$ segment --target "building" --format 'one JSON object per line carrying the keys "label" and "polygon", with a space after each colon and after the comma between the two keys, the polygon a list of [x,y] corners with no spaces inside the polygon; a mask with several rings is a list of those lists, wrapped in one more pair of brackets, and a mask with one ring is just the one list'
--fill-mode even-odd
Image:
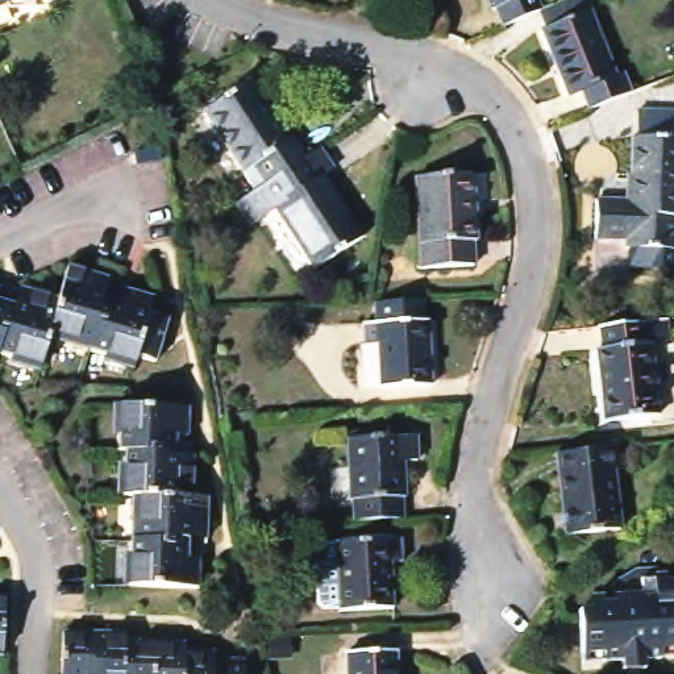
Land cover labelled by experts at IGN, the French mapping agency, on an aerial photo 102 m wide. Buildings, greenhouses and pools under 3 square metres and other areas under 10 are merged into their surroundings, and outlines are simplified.
{"label": "building", "polygon": [[492,0],[500,11],[500,24],[506,32],[513,26],[513,18],[529,11],[540,11],[545,0]]}
{"label": "building", "polygon": [[205,163],[213,166],[221,161],[226,171],[240,171],[247,179],[250,192],[245,195],[245,208],[253,213],[255,221],[271,229],[276,247],[298,269],[313,263],[337,258],[340,253],[350,250],[345,240],[369,232],[374,226],[374,208],[369,208],[361,200],[353,182],[345,174],[345,169],[340,147],[329,147],[324,140],[313,142],[308,132],[305,126],[282,126],[282,121],[274,116],[271,100],[261,92],[261,74],[250,68],[245,76],[240,76],[234,90],[226,90],[219,97],[213,97],[195,118],[203,132],[197,132],[190,140],[192,150],[200,147]]}
{"label": "building", "polygon": [[600,371],[608,416],[621,416],[629,411],[663,411],[671,403],[674,387],[674,316],[650,319],[640,313],[637,319],[627,319],[624,326],[606,326],[600,342]]}
{"label": "building", "polygon": [[606,534],[606,524],[624,527],[635,513],[637,503],[632,477],[624,461],[613,461],[613,453],[590,453],[587,445],[582,445],[558,453],[561,503],[566,511],[566,527],[561,529],[574,537],[600,534]]}
{"label": "building", "polygon": [[345,566],[334,569],[321,582],[316,590],[316,606],[337,616],[392,616],[392,603],[403,600],[403,595],[398,579],[403,563],[398,553],[374,548],[371,534],[345,537]]}
{"label": "building", "polygon": [[348,661],[348,674],[419,674],[413,661],[403,658],[398,645],[355,645]]}
{"label": "building", "polygon": [[584,611],[577,611],[577,624],[579,645],[571,653],[566,653],[566,669],[577,674],[592,674],[606,663],[621,663],[621,669],[642,671],[656,661],[674,661],[674,561],[661,561],[650,550],[624,553],[619,558],[608,571],[603,571],[606,584],[592,590]]}
{"label": "building", "polygon": [[124,495],[124,503],[118,506],[124,542],[116,550],[116,577],[121,579],[121,584],[174,590],[190,595],[200,592],[197,582],[205,574],[211,574],[216,550],[216,529],[221,524],[221,513],[224,484],[213,474],[216,445],[211,442],[203,437],[200,429],[200,405],[195,408],[184,403],[166,403],[150,398],[124,400],[113,403],[100,421],[100,434],[113,437],[116,448],[121,458],[116,463],[113,482],[116,492]]}
{"label": "building", "polygon": [[116,274],[97,263],[84,266],[82,279],[68,282],[66,298],[58,298],[61,274],[55,274],[50,266],[37,266],[32,274],[13,269],[8,274],[0,266],[0,358],[5,358],[8,376],[18,384],[29,382],[29,376],[37,369],[42,369],[42,361],[53,363],[55,355],[58,363],[66,363],[74,355],[92,355],[90,371],[90,376],[118,376],[124,369],[134,363],[134,358],[155,363],[155,355],[169,353],[169,348],[176,340],[182,316],[184,303],[176,290],[169,279],[158,290],[153,290],[140,274],[132,271]]}
{"label": "building", "polygon": [[637,266],[637,274],[653,274],[658,279],[661,261],[671,261],[674,253],[674,100],[645,103],[640,108],[640,134],[629,145],[629,169],[624,176],[629,184],[624,190],[611,190],[606,190],[600,203],[600,229],[606,237],[627,240],[629,253],[624,258],[627,263]]}
{"label": "building", "polygon": [[429,298],[421,295],[382,303],[376,303],[371,319],[361,324],[366,334],[376,332],[382,382],[434,382],[442,376],[448,361],[445,342],[445,305]]}
{"label": "building", "polygon": [[416,176],[416,237],[421,258],[432,269],[445,261],[479,261],[487,253],[490,242],[484,237],[479,237],[477,229],[479,211],[487,197],[492,197],[492,174],[471,174],[469,179],[461,179],[453,174],[453,169],[442,169],[421,174]]}
{"label": "building", "polygon": [[300,640],[271,640],[266,661],[261,661],[258,653],[242,650],[232,642],[224,637],[200,635],[197,629],[182,624],[147,624],[145,619],[111,621],[100,616],[84,616],[68,621],[68,653],[61,656],[61,671],[66,669],[68,674],[282,674],[279,658],[298,653]]}
{"label": "building", "polygon": [[613,16],[608,11],[613,0],[577,0],[574,16],[545,24],[545,32],[558,53],[558,63],[569,90],[584,92],[590,100],[603,103],[613,95],[648,84],[619,37]]}
{"label": "building", "polygon": [[427,474],[429,453],[424,453],[421,432],[348,434],[348,429],[329,429],[316,429],[311,437],[316,448],[348,448],[350,490],[345,490],[342,498],[350,506],[350,519],[361,519],[363,524],[392,521],[395,516],[408,516],[400,500],[416,500],[416,487]]}
{"label": "building", "polygon": [[5,598],[0,595],[0,656],[5,656],[8,611]]}

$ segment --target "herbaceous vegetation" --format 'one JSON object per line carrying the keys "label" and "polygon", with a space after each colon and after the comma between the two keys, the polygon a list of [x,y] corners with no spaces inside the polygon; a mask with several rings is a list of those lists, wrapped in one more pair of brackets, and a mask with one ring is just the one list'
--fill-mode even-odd
{"label": "herbaceous vegetation", "polygon": [[545,511],[532,511],[532,521],[542,529],[561,529],[566,527],[566,511],[561,503],[558,453],[553,453],[550,448],[532,450],[532,461],[521,471],[511,469],[506,461],[500,469],[500,484],[508,500],[519,495],[524,484],[529,484],[529,492],[545,495]]}
{"label": "herbaceous vegetation", "polygon": [[68,653],[68,621],[55,619],[50,627],[47,674],[68,674],[66,669],[61,671],[61,656]]}
{"label": "herbaceous vegetation", "polygon": [[461,661],[437,663],[429,656],[419,656],[413,650],[413,661],[419,674],[469,674],[469,669]]}
{"label": "herbaceous vegetation", "polygon": [[374,208],[376,203],[382,203],[382,187],[390,182],[387,169],[379,174],[358,176],[353,182],[361,200],[369,208]]}
{"label": "herbaceous vegetation", "polygon": [[674,84],[674,0],[613,0],[608,11],[613,16],[619,37],[648,84]]}
{"label": "herbaceous vegetation", "polygon": [[169,353],[155,355],[155,363],[134,358],[134,363],[124,369],[118,376],[90,376],[90,384],[124,387],[124,400],[150,398],[166,403],[184,403],[195,408],[200,405],[200,390],[187,366],[184,348],[176,340],[169,348]]}
{"label": "herbaceous vegetation", "polygon": [[498,205],[492,197],[487,197],[479,211],[477,229],[479,237],[484,237],[495,219],[506,221],[511,216],[506,205]]}
{"label": "herbaceous vegetation", "polygon": [[408,258],[411,263],[421,258],[416,237],[416,176],[416,171],[411,171],[408,176],[403,176],[403,184],[398,187],[405,195],[408,229],[413,234],[405,237],[403,245],[398,245],[395,258]]}
{"label": "herbaceous vegetation", "polygon": [[334,569],[345,566],[345,537],[371,534],[374,548],[398,553],[403,563],[434,563],[434,571],[440,577],[437,606],[445,606],[450,600],[450,592],[463,571],[463,553],[453,540],[419,545],[413,540],[413,529],[395,527],[392,521],[363,524],[361,519],[350,519],[350,506],[342,498],[345,490],[350,490],[348,448],[316,448],[311,437],[316,429],[298,427],[295,432],[255,434],[255,429],[240,419],[237,408],[229,405],[229,424],[245,440],[242,466],[247,477],[242,482],[242,495],[247,498],[258,495],[263,508],[271,508],[276,500],[284,498],[290,471],[308,487],[313,498],[311,511],[313,521],[324,532],[321,550],[311,553],[308,558],[321,582]]}
{"label": "herbaceous vegetation", "polygon": [[482,276],[461,282],[495,284],[508,276],[511,261],[503,258]]}
{"label": "herbaceous vegetation", "polygon": [[298,345],[316,332],[319,324],[361,324],[371,319],[376,303],[329,308],[308,308],[300,295],[295,295],[300,284],[298,269],[276,247],[271,229],[255,221],[253,213],[245,208],[232,208],[213,219],[213,229],[219,234],[226,234],[242,245],[232,284],[240,298],[253,295],[253,287],[263,282],[266,287],[276,287],[276,292],[284,295],[279,308],[234,308],[229,316],[221,311],[213,321],[205,321],[208,345],[216,345],[219,355],[240,355],[240,366],[229,371],[229,379],[237,384],[247,384],[253,400],[261,405],[261,413],[332,408],[337,398],[324,395],[311,369],[295,355],[284,366],[276,366],[274,361],[253,363],[250,358],[245,358],[245,350],[253,348],[253,326],[261,319],[266,319],[269,326],[276,326],[282,334],[292,337]]}
{"label": "herbaceous vegetation", "polygon": [[537,37],[529,34],[521,45],[516,45],[508,53],[508,63],[519,68],[516,79],[532,95],[534,103],[548,103],[558,97],[558,90],[548,74],[548,55],[540,50]]}
{"label": "herbaceous vegetation", "polygon": [[613,153],[619,176],[624,176],[629,169],[629,145],[629,137],[621,134],[600,140],[600,145]]}
{"label": "herbaceous vegetation", "polygon": [[603,571],[608,571],[619,558],[619,540],[640,542],[624,527],[606,524],[606,534],[600,534],[587,553],[590,558],[600,561]]}
{"label": "herbaceous vegetation", "polygon": [[429,279],[413,279],[403,284],[395,282],[379,298],[382,303],[421,295],[429,298],[434,292],[450,295],[448,284],[437,284]]}
{"label": "herbaceous vegetation", "polygon": [[116,577],[116,550],[124,542],[118,506],[87,506],[79,513],[84,521],[84,584],[76,595],[84,598],[84,616],[100,616],[111,621],[145,619],[147,624],[182,624],[197,629],[203,611],[200,592],[190,595],[174,590],[121,584],[121,579]]}
{"label": "herbaceous vegetation", "polygon": [[324,674],[321,658],[326,653],[340,650],[340,637],[303,635],[300,640],[298,653],[279,658],[282,674]]}
{"label": "herbaceous vegetation", "polygon": [[100,450],[116,448],[113,437],[100,434],[100,421],[87,421],[87,445]]}
{"label": "herbaceous vegetation", "polygon": [[247,606],[234,616],[234,621],[229,621],[224,637],[232,642],[250,619]]}
{"label": "herbaceous vegetation", "polygon": [[661,524],[663,519],[661,511],[653,508],[653,487],[658,479],[666,477],[663,463],[650,461],[645,469],[640,469],[640,474],[632,477],[637,503],[635,513],[645,513],[656,524]]}
{"label": "herbaceous vegetation", "polygon": [[587,432],[584,421],[521,421],[516,424],[516,442],[563,440]]}
{"label": "herbaceous vegetation", "polygon": [[453,379],[469,374],[471,361],[477,355],[477,342],[474,337],[453,334],[445,342],[448,361],[442,376]]}
{"label": "herbaceous vegetation", "polygon": [[29,376],[29,382],[18,384],[26,408],[53,413],[58,411],[58,395],[63,390],[58,382],[53,382],[53,374],[90,371],[92,355],[74,355],[66,363],[58,363],[55,355],[53,363],[42,361],[42,369],[37,369]]}
{"label": "herbaceous vegetation", "polygon": [[453,169],[453,174],[461,179],[469,179],[471,174],[492,174],[492,161],[484,155],[482,140],[474,140],[471,145],[450,155],[427,163],[421,174],[442,169]]}
{"label": "herbaceous vegetation", "polygon": [[326,421],[329,429],[348,429],[348,434],[421,432],[424,453],[429,453],[429,424],[411,419],[405,413],[392,413],[374,421],[332,419]]}
{"label": "herbaceous vegetation", "polygon": [[369,232],[345,240],[350,250],[340,253],[337,258],[313,263],[321,274],[332,274],[340,282],[345,282],[353,290],[358,300],[363,300],[366,266],[361,261],[374,253],[376,242],[376,237]]}
{"label": "herbaceous vegetation", "polygon": [[8,74],[13,82],[26,82],[32,87],[32,105],[39,108],[26,121],[26,126],[5,126],[0,116],[0,163],[5,163],[13,155],[26,163],[39,155],[63,153],[71,140],[61,132],[61,126],[84,118],[87,111],[97,108],[108,79],[118,74],[124,66],[118,29],[111,24],[105,0],[71,0],[71,16],[66,26],[55,26],[45,13],[24,16],[18,24],[0,26],[0,76]]}
{"label": "herbaceous vegetation", "polygon": [[587,350],[563,350],[548,355],[548,371],[542,376],[537,395],[550,405],[558,405],[561,411],[595,411]]}

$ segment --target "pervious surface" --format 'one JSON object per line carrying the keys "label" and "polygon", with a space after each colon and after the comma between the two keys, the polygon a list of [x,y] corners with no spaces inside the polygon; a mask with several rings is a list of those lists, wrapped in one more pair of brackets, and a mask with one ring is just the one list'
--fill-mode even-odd
{"label": "pervious surface", "polygon": [[203,437],[211,442],[213,424],[205,390],[208,384],[200,371],[197,353],[190,334],[190,319],[182,316],[176,340],[184,348],[187,366],[200,390],[200,405],[200,429]]}
{"label": "pervious surface", "polygon": [[176,290],[182,282],[179,255],[169,237],[147,232],[153,224],[147,211],[142,211],[132,221],[124,211],[111,229],[116,229],[124,237],[132,237],[129,255],[132,271],[140,274],[145,269],[145,255],[150,250],[161,250],[169,266],[169,279]]}
{"label": "pervious surface", "polygon": [[21,556],[13,548],[11,537],[0,540],[0,582],[16,579],[21,574]]}
{"label": "pervious surface", "polygon": [[345,169],[345,174],[353,182],[358,176],[379,174],[387,169],[387,158],[395,147],[390,140],[382,147],[366,153],[363,158],[350,161]]}
{"label": "pervious surface", "polygon": [[342,124],[348,124],[353,116],[358,116],[369,100],[366,95],[361,95],[358,100],[348,103],[345,113],[308,132],[313,142],[324,140]]}
{"label": "pervious surface", "polygon": [[340,650],[326,653],[321,658],[324,674],[348,674],[348,661],[355,645],[398,645],[403,658],[413,661],[413,650],[419,656],[429,656],[437,663],[461,661],[461,656],[471,653],[490,635],[490,621],[487,611],[474,611],[474,619],[469,624],[461,621],[458,627],[445,632],[416,632],[413,640],[405,632],[392,629],[382,635],[340,637]]}
{"label": "pervious surface", "polygon": [[450,32],[455,32],[458,26],[477,32],[490,24],[500,24],[500,11],[492,0],[432,0],[429,18],[437,21],[440,16],[448,16]]}
{"label": "pervious surface", "polygon": [[221,513],[221,524],[216,529],[216,550],[229,550],[232,542],[229,516]]}

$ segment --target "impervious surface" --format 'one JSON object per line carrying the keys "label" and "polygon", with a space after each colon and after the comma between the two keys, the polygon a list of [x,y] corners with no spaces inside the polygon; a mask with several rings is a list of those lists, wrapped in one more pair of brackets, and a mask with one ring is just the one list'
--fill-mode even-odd
{"label": "impervious surface", "polygon": [[674,674],[674,661],[656,661],[642,671],[621,669],[621,663],[606,663],[592,674]]}
{"label": "impervious surface", "polygon": [[68,621],[84,616],[84,598],[76,595],[84,584],[84,521],[79,513],[68,511],[68,500],[55,487],[50,471],[45,469],[45,461],[29,440],[24,440],[16,408],[8,403],[5,395],[0,395],[0,540],[11,537],[13,548],[21,556],[21,574],[16,579],[0,582],[0,595],[5,598],[8,611],[5,656],[0,656],[0,674],[47,674],[50,627],[55,619]]}
{"label": "impervious surface", "polygon": [[50,11],[53,0],[0,0],[0,26],[18,24],[24,16],[45,13]]}
{"label": "impervious surface", "polygon": [[153,224],[147,232],[169,237],[169,221],[179,219],[179,197],[171,187],[171,161],[163,158],[158,150],[147,150],[145,145],[140,145],[140,140],[126,137],[121,129],[113,132],[111,124],[100,126],[95,134],[71,140],[63,153],[39,155],[26,163],[26,179],[16,179],[0,187],[0,266],[8,274],[13,269],[32,274],[37,266],[50,266],[66,255],[74,255],[76,263],[84,266],[97,263],[97,255],[129,255],[132,237],[124,237],[116,229],[111,229],[124,211],[132,221],[142,211],[147,211]]}
{"label": "impervious surface", "polygon": [[579,255],[579,266],[584,266],[579,271],[579,282],[587,284],[603,266],[624,258],[629,253],[627,240],[606,237],[600,229],[600,203],[592,195],[584,195],[579,203],[579,221],[582,226],[592,229],[592,245]]}
{"label": "impervious surface", "polygon": [[[453,613],[458,613],[461,621],[469,624],[474,619],[474,611],[487,611],[490,621],[490,635],[471,653],[461,656],[461,661],[469,669],[469,674],[503,674],[511,666],[511,642],[534,621],[534,613],[545,603],[545,582],[553,577],[553,571],[545,566],[534,545],[529,542],[527,532],[521,529],[521,524],[516,521],[508,500],[500,484],[500,469],[506,461],[516,442],[516,424],[521,421],[524,387],[537,366],[537,355],[548,355],[563,350],[587,350],[595,411],[600,427],[637,429],[674,424],[674,387],[671,403],[663,411],[629,411],[621,416],[608,416],[600,371],[600,342],[606,326],[624,326],[627,319],[600,321],[587,329],[540,329],[553,300],[563,247],[563,200],[558,182],[561,161],[548,121],[582,105],[592,111],[590,118],[563,126],[563,142],[566,147],[571,147],[582,137],[590,137],[590,145],[574,161],[574,171],[579,179],[603,179],[603,184],[608,184],[611,190],[624,190],[629,184],[624,176],[619,176],[613,153],[600,145],[600,140],[621,134],[629,137],[629,145],[640,134],[640,108],[645,103],[674,100],[674,84],[648,84],[613,95],[603,103],[590,100],[584,92],[569,90],[558,63],[558,53],[545,32],[545,24],[574,16],[577,0],[545,0],[540,11],[529,11],[513,18],[513,26],[506,32],[474,45],[453,34],[432,37],[384,37],[371,29],[361,8],[355,8],[329,13],[276,0],[126,0],[132,21],[134,26],[150,32],[150,37],[158,39],[163,53],[158,82],[147,92],[147,97],[155,105],[163,105],[174,118],[174,132],[179,132],[179,153],[192,150],[190,140],[197,132],[203,132],[195,118],[182,105],[174,90],[174,84],[184,74],[184,53],[190,45],[200,47],[213,58],[221,53],[224,42],[232,42],[242,34],[245,39],[261,42],[263,47],[276,42],[276,47],[287,50],[284,61],[290,71],[329,66],[340,68],[342,74],[348,74],[350,82],[350,90],[342,92],[340,103],[348,103],[358,100],[361,95],[366,95],[369,100],[382,103],[384,113],[379,113],[369,126],[348,137],[340,147],[345,169],[350,161],[363,158],[366,153],[382,147],[390,140],[398,124],[445,126],[453,118],[466,118],[477,113],[492,121],[506,145],[513,171],[516,234],[500,242],[490,242],[487,253],[479,261],[445,261],[432,269],[421,258],[411,263],[408,258],[395,258],[395,282],[403,284],[413,279],[429,279],[437,284],[448,284],[461,282],[482,276],[503,258],[511,261],[508,276],[508,287],[500,292],[498,300],[498,305],[503,308],[503,321],[492,334],[477,342],[477,355],[471,361],[469,374],[453,379],[442,376],[434,382],[382,382],[376,332],[366,334],[361,324],[319,324],[316,332],[298,345],[295,355],[311,369],[324,395],[337,398],[398,400],[471,395],[471,408],[463,424],[458,471],[453,484],[437,487],[434,479],[427,474],[416,487],[416,500],[419,508],[455,508],[453,540],[463,553],[463,571],[450,592],[450,600]],[[516,45],[521,45],[529,34],[537,37],[540,50],[548,55],[548,74],[558,90],[558,97],[548,103],[534,103],[532,95],[516,79],[519,68],[508,63],[508,53]],[[342,355],[345,355],[345,350],[348,350],[350,345],[355,345],[355,348],[358,348],[358,376],[355,376],[355,379],[348,379],[348,376],[345,376],[345,371],[342,371]]]}
{"label": "impervious surface", "polygon": [[566,653],[571,653],[579,645],[577,624],[550,619],[542,627],[542,637],[550,637]]}

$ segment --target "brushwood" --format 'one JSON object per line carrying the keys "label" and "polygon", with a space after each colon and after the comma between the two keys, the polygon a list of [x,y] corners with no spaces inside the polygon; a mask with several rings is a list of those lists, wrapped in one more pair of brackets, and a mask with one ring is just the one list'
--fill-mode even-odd
{"label": "brushwood", "polygon": [[635,513],[624,527],[640,542],[619,540],[619,558],[624,553],[650,550],[661,561],[674,561],[674,516],[663,519],[661,524],[656,524],[645,513]]}
{"label": "brushwood", "polygon": [[216,287],[208,287],[208,305],[221,311],[229,316],[234,308],[279,308],[284,295],[276,292],[276,287],[266,287],[263,282],[253,287],[253,295],[240,298],[216,298]]}
{"label": "brushwood", "polygon": [[53,413],[26,408],[18,384],[8,376],[5,358],[0,358],[0,395],[5,395],[8,403],[16,408],[24,440],[29,440],[45,461],[45,469],[50,471],[55,487],[68,500],[68,511],[79,513],[87,506],[118,506],[124,503],[124,495],[116,492],[113,482],[116,463],[121,458],[116,448],[100,450],[87,445],[87,421],[100,421],[113,403],[124,400],[124,387],[90,384],[90,376],[90,371],[53,374],[53,382],[58,382],[63,390],[58,395],[58,411]]}
{"label": "brushwood", "polygon": [[16,179],[26,179],[26,163],[13,155],[5,163],[0,163],[0,187]]}
{"label": "brushwood", "polygon": [[376,242],[374,253],[361,261],[366,266],[363,300],[358,300],[353,290],[345,282],[340,282],[334,287],[329,308],[376,303],[382,303],[379,298],[395,282],[395,258],[398,245],[403,245],[405,237],[413,234],[408,229],[405,195],[398,187],[403,184],[403,176],[408,176],[411,171],[416,171],[416,176],[421,174],[427,163],[450,155],[471,145],[474,140],[482,140],[484,155],[492,161],[492,174],[492,197],[498,205],[506,205],[511,216],[506,221],[495,219],[484,237],[490,242],[500,242],[516,234],[513,171],[506,145],[492,121],[477,113],[466,118],[453,118],[445,126],[398,124],[390,140],[395,147],[387,158],[387,169],[390,182],[382,187],[382,203],[376,203],[374,208],[374,226],[369,232],[376,237]]}
{"label": "brushwood", "polygon": [[455,508],[419,508],[416,500],[400,500],[408,516],[395,516],[392,521],[395,527],[413,529],[413,540],[419,545],[453,540]]}
{"label": "brushwood", "polygon": [[105,0],[111,24],[118,29],[132,21],[126,0]]}
{"label": "brushwood", "polygon": [[153,290],[158,290],[169,279],[169,266],[161,250],[150,250],[145,255],[145,269],[140,274]]}
{"label": "brushwood", "polygon": [[71,16],[71,0],[53,0],[50,11],[45,13],[55,26],[66,26]]}
{"label": "brushwood", "polygon": [[500,24],[490,24],[477,32],[458,26],[455,32],[450,32],[448,16],[440,16],[437,21],[432,37],[453,34],[474,45],[506,32]]}
{"label": "brushwood", "polygon": [[71,140],[95,134],[100,126],[111,124],[113,116],[97,108],[87,111],[84,118],[61,126],[61,132]]}
{"label": "brushwood", "polygon": [[355,345],[350,345],[348,350],[345,350],[345,355],[342,355],[342,371],[345,371],[345,376],[348,376],[348,379],[355,379],[355,376],[358,376],[358,348],[355,348]]}
{"label": "brushwood", "polygon": [[97,255],[97,263],[116,274],[132,271],[129,255]]}
{"label": "brushwood", "polygon": [[182,105],[195,118],[213,97],[219,97],[226,90],[234,90],[240,76],[245,76],[250,68],[261,74],[269,66],[279,66],[284,61],[287,50],[276,47],[276,42],[263,47],[261,42],[245,39],[242,34],[232,42],[224,42],[221,53],[213,58],[200,47],[190,45],[184,53],[184,74],[174,84],[174,90]]}
{"label": "brushwood", "polygon": [[240,355],[219,355],[216,345],[208,345],[197,353],[200,371],[208,384],[205,390],[213,424],[211,442],[216,445],[213,474],[224,484],[221,513],[229,516],[232,542],[245,545],[247,529],[255,524],[247,511],[247,498],[242,495],[242,482],[247,477],[242,466],[245,440],[229,424],[229,405],[237,408],[240,419],[255,429],[255,434],[295,432],[298,427],[316,429],[329,429],[326,421],[332,419],[374,421],[392,413],[405,413],[411,419],[429,424],[429,453],[427,474],[434,479],[437,487],[453,484],[458,471],[463,424],[471,408],[471,395],[398,400],[337,398],[332,408],[261,413],[261,405],[253,400],[247,384],[237,384],[229,379],[229,371],[240,366]]}
{"label": "brushwood", "polygon": [[290,471],[284,498],[292,498],[303,511],[311,511],[313,498],[308,487]]}
{"label": "brushwood", "polygon": [[276,0],[329,13],[355,8],[355,0]]}
{"label": "brushwood", "polygon": [[595,411],[561,411],[558,405],[550,405],[537,395],[542,376],[548,371],[548,355],[537,355],[537,366],[524,387],[521,421],[584,421],[587,432],[563,440],[516,442],[506,461],[511,469],[521,471],[532,461],[532,450],[550,448],[553,453],[558,453],[582,445],[587,445],[590,453],[613,453],[613,461],[624,461],[632,477],[640,474],[640,469],[645,469],[650,461],[663,463],[674,458],[674,424],[637,429],[600,427]]}
{"label": "brushwood", "polygon": [[461,282],[448,284],[450,295],[434,292],[429,298],[445,305],[445,342],[453,334],[474,337],[477,342],[492,334],[503,321],[503,308],[498,305],[498,300],[500,292],[508,287],[508,276],[495,284]]}
{"label": "brushwood", "polygon": [[627,263],[624,258],[603,266],[587,284],[579,282],[579,271],[584,266],[579,266],[579,255],[592,245],[592,229],[582,226],[579,221],[579,203],[584,195],[592,195],[600,203],[606,190],[611,190],[608,184],[603,184],[603,179],[579,179],[574,171],[574,161],[590,145],[590,137],[582,137],[571,147],[566,147],[563,142],[563,126],[590,118],[592,111],[582,105],[548,121],[561,161],[558,182],[563,200],[563,247],[553,300],[540,329],[587,329],[600,321],[627,319],[637,319],[640,313],[650,319],[674,316],[674,253],[671,261],[661,261],[658,279],[653,274],[637,274],[637,266]]}
{"label": "brushwood", "polygon": [[577,624],[577,611],[584,611],[592,590],[606,584],[603,571],[600,561],[590,558],[587,553],[600,534],[574,537],[561,529],[542,529],[532,521],[532,511],[545,511],[545,495],[529,492],[529,484],[524,484],[519,495],[508,500],[516,521],[521,524],[521,529],[527,532],[529,542],[534,545],[545,566],[553,571],[553,577],[545,582],[545,603],[534,613],[534,621],[511,642],[511,666],[503,674],[577,674],[566,669],[566,653],[550,637],[542,637],[542,627],[550,619]]}
{"label": "brushwood", "polygon": [[250,619],[232,642],[242,650],[258,653],[261,661],[266,661],[271,640],[300,640],[303,635],[340,637],[382,635],[392,629],[405,632],[413,640],[416,632],[445,632],[458,627],[461,621],[458,613],[453,613],[450,600],[445,606],[437,606],[434,611],[419,611],[413,600],[403,595],[403,600],[392,603],[392,616],[337,616],[316,606],[311,611],[303,611],[303,621],[298,624],[269,627],[258,611],[253,611],[253,606],[247,606]]}
{"label": "brushwood", "polygon": [[340,147],[348,137],[369,126],[379,113],[384,113],[382,103],[369,100],[358,116],[353,116],[348,124],[342,124],[324,140],[329,147]]}
{"label": "brushwood", "polygon": [[68,282],[82,279],[84,266],[76,263],[74,255],[66,255],[50,266],[55,274],[61,274],[58,298],[66,298]]}

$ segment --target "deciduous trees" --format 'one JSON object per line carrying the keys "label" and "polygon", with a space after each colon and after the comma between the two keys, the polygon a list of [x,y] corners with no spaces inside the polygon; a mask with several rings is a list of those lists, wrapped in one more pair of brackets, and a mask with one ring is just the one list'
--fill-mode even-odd
{"label": "deciduous trees", "polygon": [[269,66],[261,74],[261,92],[271,100],[274,116],[282,121],[282,126],[305,126],[308,132],[345,113],[348,103],[340,103],[342,92],[350,90],[350,82],[348,74],[342,74],[340,68],[329,66],[290,71],[284,61],[279,66]]}
{"label": "deciduous trees", "polygon": [[434,571],[434,563],[403,563],[398,579],[403,595],[413,600],[419,611],[434,611],[437,606],[440,577]]}
{"label": "deciduous trees", "polygon": [[213,229],[213,219],[232,208],[245,208],[245,195],[250,192],[247,179],[240,171],[226,171],[221,161],[213,166],[205,163],[200,147],[192,150],[179,153],[179,132],[174,132],[174,118],[163,105],[155,105],[147,97],[147,92],[158,82],[163,53],[158,39],[150,37],[150,32],[134,26],[132,21],[118,29],[124,66],[118,74],[108,79],[97,108],[113,116],[111,124],[113,132],[121,129],[126,137],[140,140],[140,145],[145,145],[147,150],[158,150],[163,158],[171,161],[171,187],[179,197],[179,219],[169,221],[169,237],[179,255],[182,282],[176,290],[184,303],[182,316],[190,319],[190,334],[197,353],[208,345],[205,321],[213,321],[221,311],[208,305],[208,287],[216,287],[216,298],[240,298],[232,284],[242,245],[226,234],[219,234]]}
{"label": "deciduous trees", "polygon": [[321,550],[324,532],[313,521],[311,511],[303,511],[292,498],[284,498],[276,500],[271,508],[263,508],[258,495],[247,498],[247,511],[255,524],[247,529],[245,545],[232,542],[229,550],[216,550],[211,574],[205,574],[197,582],[200,592],[203,611],[197,629],[200,635],[224,637],[229,621],[234,621],[234,616],[247,606],[253,606],[253,611],[258,611],[269,627],[298,624],[303,621],[303,611],[311,611],[316,606],[316,590],[321,582],[308,558],[311,553]]}
{"label": "deciduous trees", "polygon": [[361,8],[371,29],[384,37],[432,37],[437,21],[429,18],[432,0],[355,0],[355,8]]}
{"label": "deciduous trees", "polygon": [[0,76],[0,116],[5,126],[26,126],[26,121],[39,108],[32,105],[32,87],[26,82],[13,82],[8,74]]}
{"label": "deciduous trees", "polygon": [[666,477],[658,479],[653,487],[653,508],[661,511],[663,519],[674,516],[674,458],[663,463]]}
{"label": "deciduous trees", "polygon": [[300,295],[308,308],[329,308],[334,287],[340,282],[332,274],[321,274],[313,263],[298,269],[300,284],[295,295]]}
{"label": "deciduous trees", "polygon": [[276,366],[284,366],[295,355],[298,345],[292,337],[282,334],[276,326],[269,326],[266,319],[261,319],[253,326],[253,348],[245,350],[245,358],[250,358],[253,363],[274,361]]}

